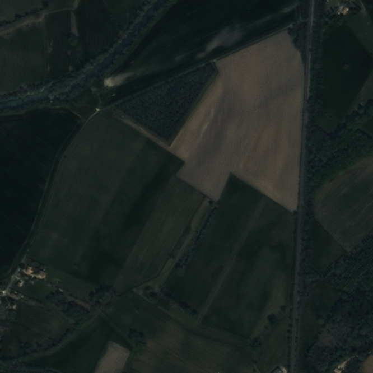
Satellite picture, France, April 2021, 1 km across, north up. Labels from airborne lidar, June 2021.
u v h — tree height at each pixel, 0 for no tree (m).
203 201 0
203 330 0
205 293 0
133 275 0
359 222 0
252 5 0
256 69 0
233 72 0
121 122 0
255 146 0
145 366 0
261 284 0
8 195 0
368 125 0
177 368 0
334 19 12
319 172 33
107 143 0
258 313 0
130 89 0
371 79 0
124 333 0
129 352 0
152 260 0
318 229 0
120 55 12
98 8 0
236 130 0
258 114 0
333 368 18
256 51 0
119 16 0
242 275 0
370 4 11
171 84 10
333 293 0
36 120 0
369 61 0
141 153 0
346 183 0
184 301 0
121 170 0
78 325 19
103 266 0
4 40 0
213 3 0
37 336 0
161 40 0
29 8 0
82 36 0
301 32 19
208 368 0
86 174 0
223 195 0
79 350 0
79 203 0
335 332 6
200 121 0
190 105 15
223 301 0
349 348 7
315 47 22
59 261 0
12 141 0
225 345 0
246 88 0
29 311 0
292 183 0
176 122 14
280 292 0
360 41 0
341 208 0
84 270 0
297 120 0
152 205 0
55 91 16
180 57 0
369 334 15
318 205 0
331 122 0
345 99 0
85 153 0
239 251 0
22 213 0
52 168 0
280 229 0
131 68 0
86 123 0
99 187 0
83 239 0
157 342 0
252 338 0
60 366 0
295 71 0
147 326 0
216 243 0
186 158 0
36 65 0
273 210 0
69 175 0
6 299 11
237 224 0
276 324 23
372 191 0
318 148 17
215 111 0
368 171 0
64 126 0
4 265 0
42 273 0
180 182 0
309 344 0
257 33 0
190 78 10
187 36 0
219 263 0
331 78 0
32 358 0
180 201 0
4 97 8
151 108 12
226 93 0
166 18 0
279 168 0
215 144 0
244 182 0
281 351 0
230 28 0
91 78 16
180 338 0
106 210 0
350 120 20
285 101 0
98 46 0
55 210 0
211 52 0
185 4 0
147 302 0
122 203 0
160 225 0
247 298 0
